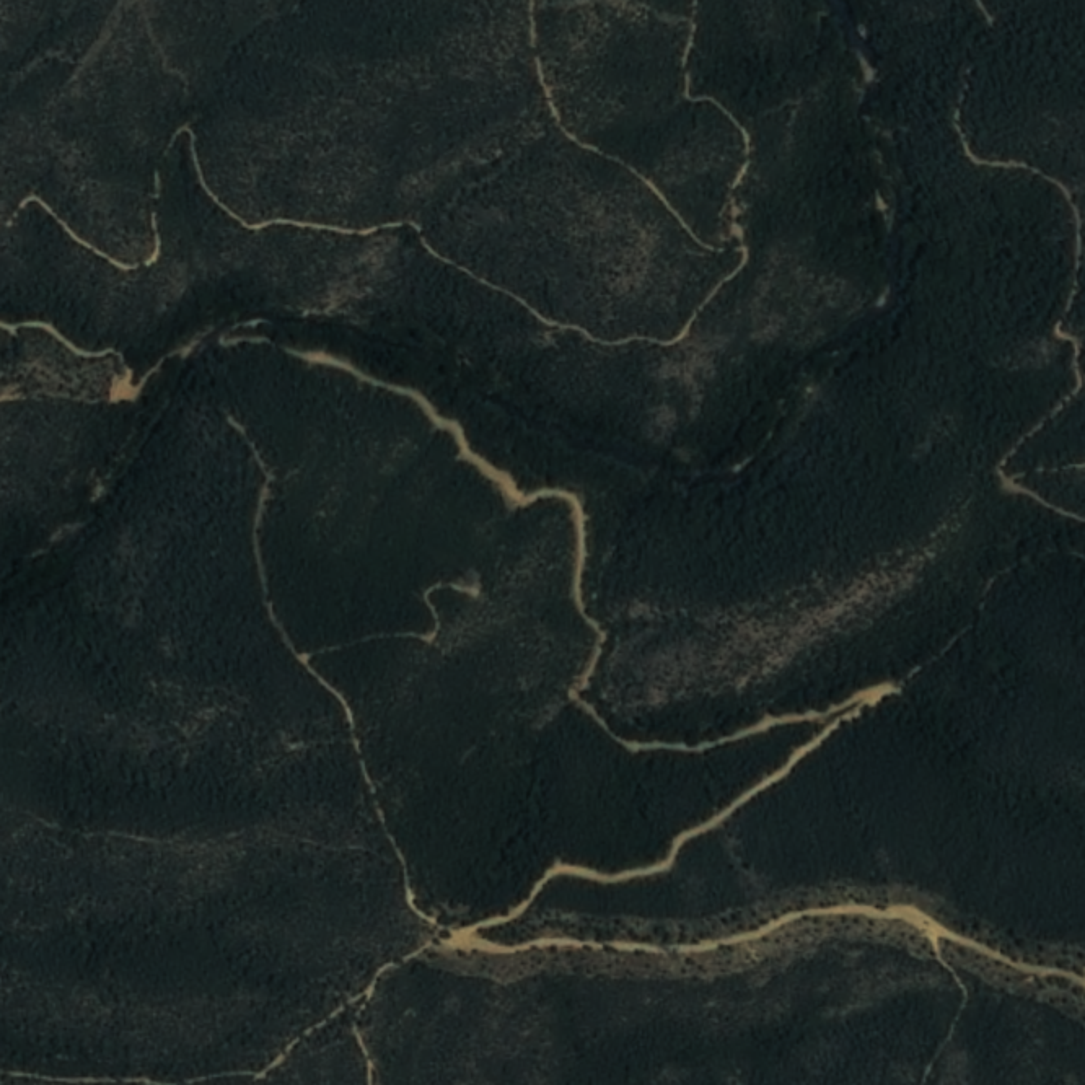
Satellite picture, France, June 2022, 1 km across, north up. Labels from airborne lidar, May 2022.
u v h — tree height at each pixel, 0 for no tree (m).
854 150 18
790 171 7
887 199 7
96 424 9
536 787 9
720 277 8
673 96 10
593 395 12
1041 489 11
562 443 9
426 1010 6
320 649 8
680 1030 8
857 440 7
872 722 13
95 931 9
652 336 10
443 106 5
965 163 13
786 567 8
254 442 7
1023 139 8
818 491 7
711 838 6
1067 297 9
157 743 0
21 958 5
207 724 6
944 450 8
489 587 8
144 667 8
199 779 8
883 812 8
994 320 11
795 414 7
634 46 10
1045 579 11
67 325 14
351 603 11
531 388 13
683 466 7
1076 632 9
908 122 6
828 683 10
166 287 6
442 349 7
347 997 7
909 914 0
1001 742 7
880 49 21
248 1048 9
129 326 7
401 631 8
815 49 13
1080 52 11
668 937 7
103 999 9
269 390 8
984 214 11
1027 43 15
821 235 14
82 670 8
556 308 8
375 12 6
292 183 6
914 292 14
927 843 6
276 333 7
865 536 9
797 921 0
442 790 11
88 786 9
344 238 8
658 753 7
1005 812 8
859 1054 8
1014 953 8
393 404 10
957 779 9
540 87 8
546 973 6
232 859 8
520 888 10
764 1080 7
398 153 8
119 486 6
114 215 5
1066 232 7
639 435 12
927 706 7
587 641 6
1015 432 8
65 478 8
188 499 6
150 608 10
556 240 9
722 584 8
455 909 9
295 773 8
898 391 12
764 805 10
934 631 16
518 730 6
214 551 6
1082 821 10
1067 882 6
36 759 7
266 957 6
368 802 6
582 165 6
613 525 8
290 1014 7
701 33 10
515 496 0
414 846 8
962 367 10
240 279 12
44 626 10
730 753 7
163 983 7
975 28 11
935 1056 7
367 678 8
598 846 8
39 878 7
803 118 7
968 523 8
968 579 11
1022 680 10
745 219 8
